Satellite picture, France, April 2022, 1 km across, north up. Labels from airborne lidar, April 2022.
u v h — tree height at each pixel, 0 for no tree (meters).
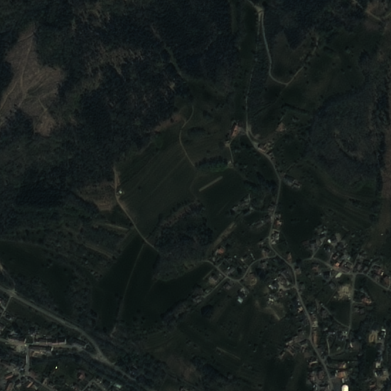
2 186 19
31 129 23
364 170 30
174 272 22
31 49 0
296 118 13
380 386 0
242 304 0
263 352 0
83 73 19
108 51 32
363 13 19
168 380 0
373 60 19
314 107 0
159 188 0
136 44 34
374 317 11
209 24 25
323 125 26
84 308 8
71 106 15
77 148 27
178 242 28
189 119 0
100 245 15
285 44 0
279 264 9
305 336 0
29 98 0
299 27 17
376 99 25
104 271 0
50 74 0
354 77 0
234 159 0
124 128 20
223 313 0
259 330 0
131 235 0
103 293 0
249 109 6
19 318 8
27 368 0
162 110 33
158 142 17
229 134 8
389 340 6
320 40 6
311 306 11
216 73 25
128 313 0
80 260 11
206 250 23
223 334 0
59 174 19
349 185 22
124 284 0
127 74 35
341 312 0
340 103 24
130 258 0
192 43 25
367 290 10
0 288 0
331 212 8
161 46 41
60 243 15
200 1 23
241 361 0
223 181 0
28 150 13
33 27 0
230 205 0
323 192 0
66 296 8
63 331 15
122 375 16
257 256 0
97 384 0
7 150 15
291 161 0
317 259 0
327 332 8
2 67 31
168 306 0
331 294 0
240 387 15
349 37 0
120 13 29
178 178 0
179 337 0
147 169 0
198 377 0
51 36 22
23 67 0
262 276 21
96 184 28
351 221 0
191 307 7
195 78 17
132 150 24
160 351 0
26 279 16
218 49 22
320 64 0
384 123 22
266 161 0
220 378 17
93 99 26
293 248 0
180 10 22
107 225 0
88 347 7
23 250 0
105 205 0
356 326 0
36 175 18
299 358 0
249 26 0
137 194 0
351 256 6
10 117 0
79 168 24
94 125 17
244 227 0
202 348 0
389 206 0
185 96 28
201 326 0
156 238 6
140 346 19
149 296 0
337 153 23
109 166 25
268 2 0
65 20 16
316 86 0
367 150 25
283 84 0
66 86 18
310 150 19
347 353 0
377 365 0
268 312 0
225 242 17
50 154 22
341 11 24
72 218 19
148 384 22
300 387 0
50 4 13
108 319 0
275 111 0
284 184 0
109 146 28
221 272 0
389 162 0
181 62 34
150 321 0
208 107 0
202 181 0
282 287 0
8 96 0
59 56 23
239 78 7
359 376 8
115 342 22
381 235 0
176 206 0
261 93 6
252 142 0
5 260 0
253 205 13
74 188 24
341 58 0
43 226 16
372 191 0
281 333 0
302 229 0
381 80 17
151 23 32
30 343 0
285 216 0
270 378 0
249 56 0
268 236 0
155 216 0
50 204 13
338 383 0
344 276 0
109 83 31
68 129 28
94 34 35
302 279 0
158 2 28
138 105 33
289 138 18
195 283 0
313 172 0
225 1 26
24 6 16
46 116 0
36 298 21
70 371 0
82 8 22
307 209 0
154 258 0
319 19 16
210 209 0
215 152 0
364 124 23
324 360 0
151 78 29
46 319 0
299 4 17
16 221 25
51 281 0
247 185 14
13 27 23
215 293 0
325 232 8
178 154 0
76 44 24
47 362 16
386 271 0
